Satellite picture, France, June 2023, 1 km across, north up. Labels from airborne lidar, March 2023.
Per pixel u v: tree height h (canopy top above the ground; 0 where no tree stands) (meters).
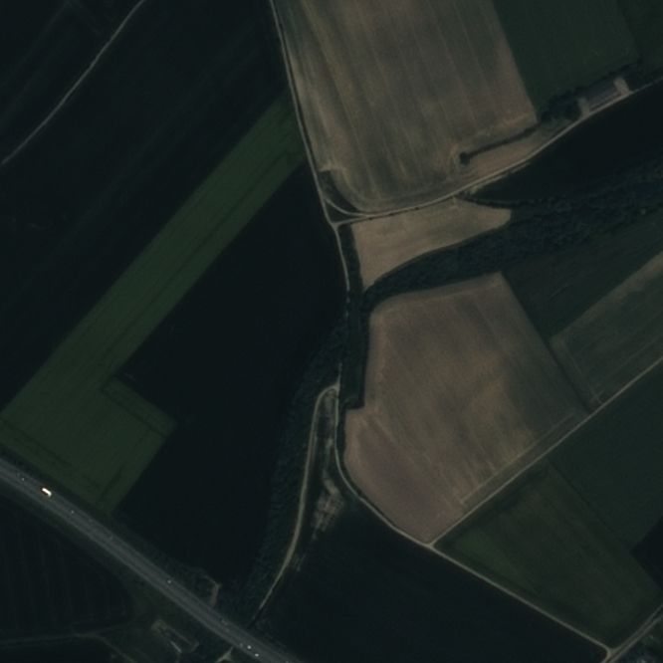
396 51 0
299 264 0
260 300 0
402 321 0
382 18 0
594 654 0
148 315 0
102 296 0
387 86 0
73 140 0
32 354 0
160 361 0
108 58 0
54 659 0
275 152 0
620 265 0
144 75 0
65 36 0
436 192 0
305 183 0
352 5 0
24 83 0
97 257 0
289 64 0
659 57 0
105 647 0
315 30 0
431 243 0
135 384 0
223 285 0
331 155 0
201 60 0
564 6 0
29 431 0
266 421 0
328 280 0
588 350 0
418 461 0
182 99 0
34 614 0
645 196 22
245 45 0
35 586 0
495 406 0
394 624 0
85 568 0
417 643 0
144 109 0
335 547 0
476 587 0
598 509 0
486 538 0
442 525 0
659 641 0
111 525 0
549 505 0
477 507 0
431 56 0
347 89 0
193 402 0
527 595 0
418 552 0
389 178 0
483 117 0
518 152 0
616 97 0
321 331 0
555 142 0
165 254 0
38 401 0
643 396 0
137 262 0
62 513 0
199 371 0
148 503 0
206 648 10
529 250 7
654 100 0
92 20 0
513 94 0
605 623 0
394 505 0
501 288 0
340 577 0
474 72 0
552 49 0
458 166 0
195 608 0
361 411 0
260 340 0
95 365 0
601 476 0
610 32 0
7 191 0
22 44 0
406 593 0
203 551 0
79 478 0
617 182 11
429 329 0
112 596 0
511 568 0
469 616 0
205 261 0
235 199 0
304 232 0
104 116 0
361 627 0
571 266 0
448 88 0
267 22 0
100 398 0
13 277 0
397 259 0
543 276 0
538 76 0
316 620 0
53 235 0
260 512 0
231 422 0
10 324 0
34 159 0
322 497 0
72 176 0
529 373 0
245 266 0
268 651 0
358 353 0
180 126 0
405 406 0
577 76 0
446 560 0
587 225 18
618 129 0
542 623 0
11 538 0
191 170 0
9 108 0
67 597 0
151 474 0
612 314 0
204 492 0
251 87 0
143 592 0
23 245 0
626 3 0
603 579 0
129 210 0
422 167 0
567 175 0
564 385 0
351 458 0
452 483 0
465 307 0
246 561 0
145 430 0
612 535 0
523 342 0
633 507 0
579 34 0
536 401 0
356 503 0
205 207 0
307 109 0
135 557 0
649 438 0
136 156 0
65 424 0
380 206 0
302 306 0
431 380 0
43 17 0
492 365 0
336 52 0
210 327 0
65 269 0
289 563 0
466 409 0
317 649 0
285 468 11
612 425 0
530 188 0
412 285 10
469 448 0
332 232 0
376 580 0
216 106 0
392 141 0
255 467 0
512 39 0
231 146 0
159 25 0
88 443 0
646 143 0
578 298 0
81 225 0
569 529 0
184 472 0
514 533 0
